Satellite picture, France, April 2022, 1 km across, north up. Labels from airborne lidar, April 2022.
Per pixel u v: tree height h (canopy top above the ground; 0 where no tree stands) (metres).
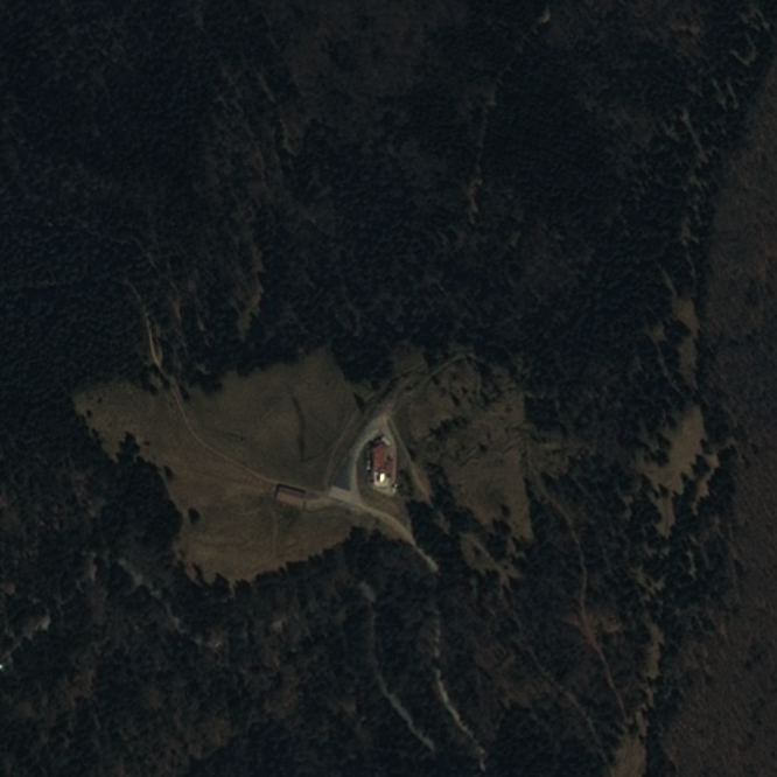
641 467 0
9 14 14
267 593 26
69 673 27
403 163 14
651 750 14
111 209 17
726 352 8
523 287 14
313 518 0
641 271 20
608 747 14
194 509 0
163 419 0
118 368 27
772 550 23
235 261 26
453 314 10
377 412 0
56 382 25
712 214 11
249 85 18
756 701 18
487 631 17
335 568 23
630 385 19
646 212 15
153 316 8
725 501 15
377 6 19
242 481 0
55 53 19
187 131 22
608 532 11
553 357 16
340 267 19
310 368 0
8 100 23
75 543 34
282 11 16
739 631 19
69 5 31
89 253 26
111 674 36
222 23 15
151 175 21
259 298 0
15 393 25
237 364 19
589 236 12
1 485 13
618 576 14
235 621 16
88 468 22
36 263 27
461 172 14
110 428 0
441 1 17
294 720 24
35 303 30
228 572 0
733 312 24
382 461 0
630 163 11
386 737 24
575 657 12
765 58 9
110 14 39
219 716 28
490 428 0
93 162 8
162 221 16
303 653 27
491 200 18
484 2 8
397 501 0
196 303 23
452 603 21
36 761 29
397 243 26
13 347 21
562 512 0
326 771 0
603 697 13
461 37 16
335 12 17
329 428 0
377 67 19
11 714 23
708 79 17
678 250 18
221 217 16
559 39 11
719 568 22
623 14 13
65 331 14
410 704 17
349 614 15
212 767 23
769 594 23
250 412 0
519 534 0
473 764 21
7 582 23
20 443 12
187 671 34
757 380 19
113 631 26
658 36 26
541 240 8
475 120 13
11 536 17
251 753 28
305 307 19
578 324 21
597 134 14
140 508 19
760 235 28
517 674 7
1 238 26
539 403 8
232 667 8
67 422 12
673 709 19
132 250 7
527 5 7
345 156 23
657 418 8
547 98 17
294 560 0
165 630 26
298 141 19
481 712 20
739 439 12
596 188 21
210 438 0
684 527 16
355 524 0
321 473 0
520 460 0
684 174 17
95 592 31
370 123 20
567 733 16
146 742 23
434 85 9
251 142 29
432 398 0
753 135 15
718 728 19
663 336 0
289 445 0
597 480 10
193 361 15
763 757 22
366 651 26
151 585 21
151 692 27
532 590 14
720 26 14
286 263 22
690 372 0
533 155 19
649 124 10
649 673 0
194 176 17
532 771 19
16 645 16
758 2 16
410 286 27
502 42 15
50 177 16
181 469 0
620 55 21
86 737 36
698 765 22
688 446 0
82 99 23
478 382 0
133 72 17
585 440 6
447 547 11
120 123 19
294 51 21
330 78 17
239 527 0
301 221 18
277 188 20
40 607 32
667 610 11
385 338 20
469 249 12
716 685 20
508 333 17
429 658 28
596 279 21
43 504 15
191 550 0
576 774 21
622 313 15
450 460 0
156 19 25
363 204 17
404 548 17
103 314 25
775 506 21
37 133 19
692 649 18
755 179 23
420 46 18
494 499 0
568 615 13
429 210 17
